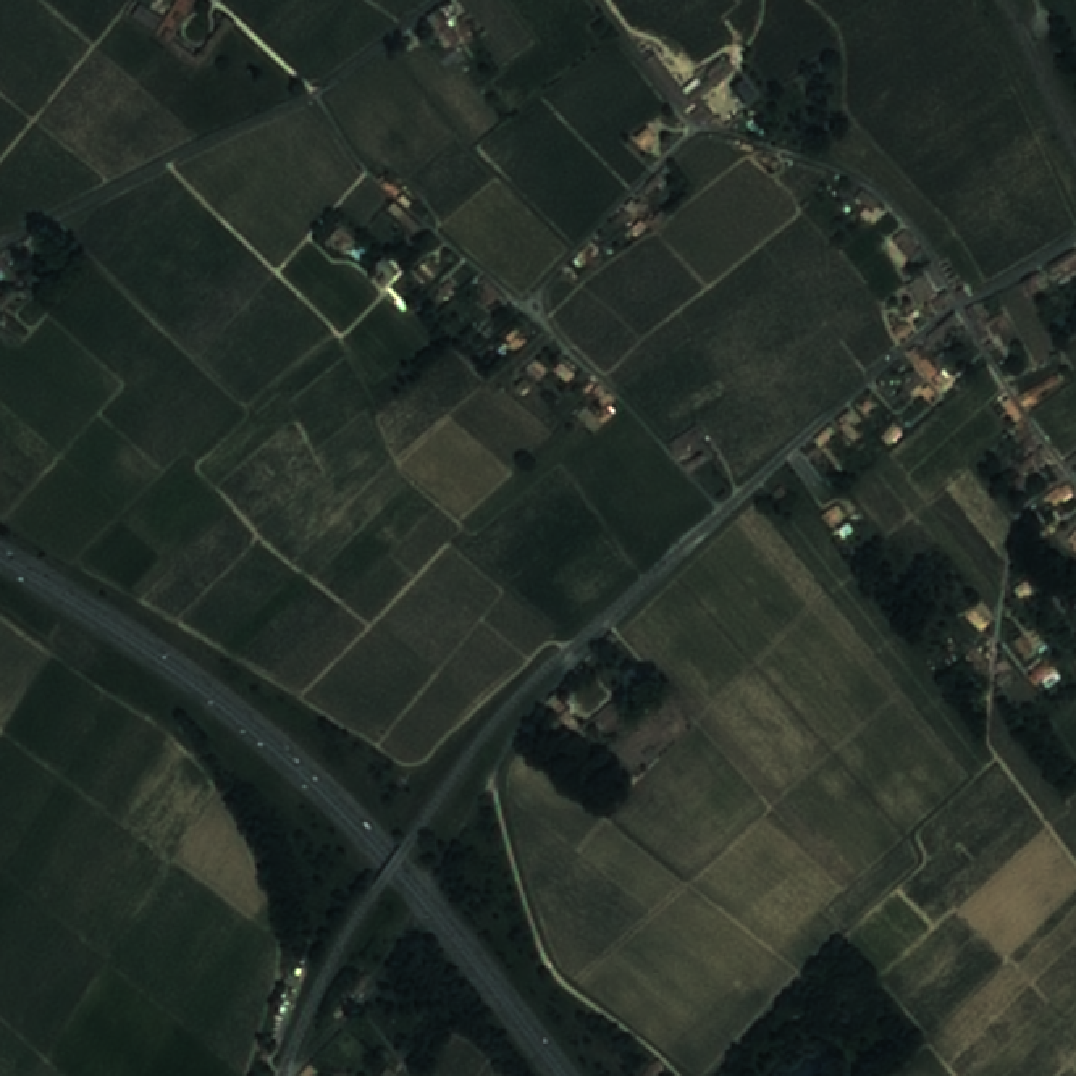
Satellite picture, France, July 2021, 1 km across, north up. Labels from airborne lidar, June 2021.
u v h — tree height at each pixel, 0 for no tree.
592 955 0
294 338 0
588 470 0
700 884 0
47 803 0
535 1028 0
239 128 0
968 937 0
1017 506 8
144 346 0
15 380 0
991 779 0
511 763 0
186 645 0
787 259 0
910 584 23
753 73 7
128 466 0
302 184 0
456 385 0
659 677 29
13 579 0
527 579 0
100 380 0
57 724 0
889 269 0
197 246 0
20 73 0
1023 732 15
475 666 0
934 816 0
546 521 0
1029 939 0
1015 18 0
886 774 0
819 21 0
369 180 0
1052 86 0
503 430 0
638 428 0
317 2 0
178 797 0
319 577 0
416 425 0
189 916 0
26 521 0
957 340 6
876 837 0
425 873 0
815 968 16
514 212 0
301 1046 0
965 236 0
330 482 0
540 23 0
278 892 8
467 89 0
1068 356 0
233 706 0
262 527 0
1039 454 0
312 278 0
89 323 0
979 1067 0
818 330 0
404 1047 15
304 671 0
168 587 0
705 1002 0
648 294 0
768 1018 7
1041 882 0
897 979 0
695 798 0
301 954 6
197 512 0
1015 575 8
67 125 0
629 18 0
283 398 0
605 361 0
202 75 0
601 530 0
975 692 11
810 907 0
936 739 0
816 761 0
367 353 0
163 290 0
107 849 0
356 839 0
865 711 0
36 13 0
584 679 11
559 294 0
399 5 0
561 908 0
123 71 0
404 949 11
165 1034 0
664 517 0
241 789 8
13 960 0
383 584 0
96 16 0
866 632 0
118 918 0
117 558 0
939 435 0
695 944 0
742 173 0
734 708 0
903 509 0
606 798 25
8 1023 0
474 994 15
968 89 0
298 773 0
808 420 0
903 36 0
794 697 0
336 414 0
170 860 0
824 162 0
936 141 0
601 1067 11
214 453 0
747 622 0
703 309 0
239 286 0
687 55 0
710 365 0
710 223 0
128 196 0
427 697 0
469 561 0
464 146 0
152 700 0
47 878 0
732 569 0
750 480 0
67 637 0
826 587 0
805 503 0
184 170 0
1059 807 0
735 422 0
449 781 0
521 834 0
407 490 0
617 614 0
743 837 0
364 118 0
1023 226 0
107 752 0
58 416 0
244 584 0
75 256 38
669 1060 0
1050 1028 0
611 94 0
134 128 0
